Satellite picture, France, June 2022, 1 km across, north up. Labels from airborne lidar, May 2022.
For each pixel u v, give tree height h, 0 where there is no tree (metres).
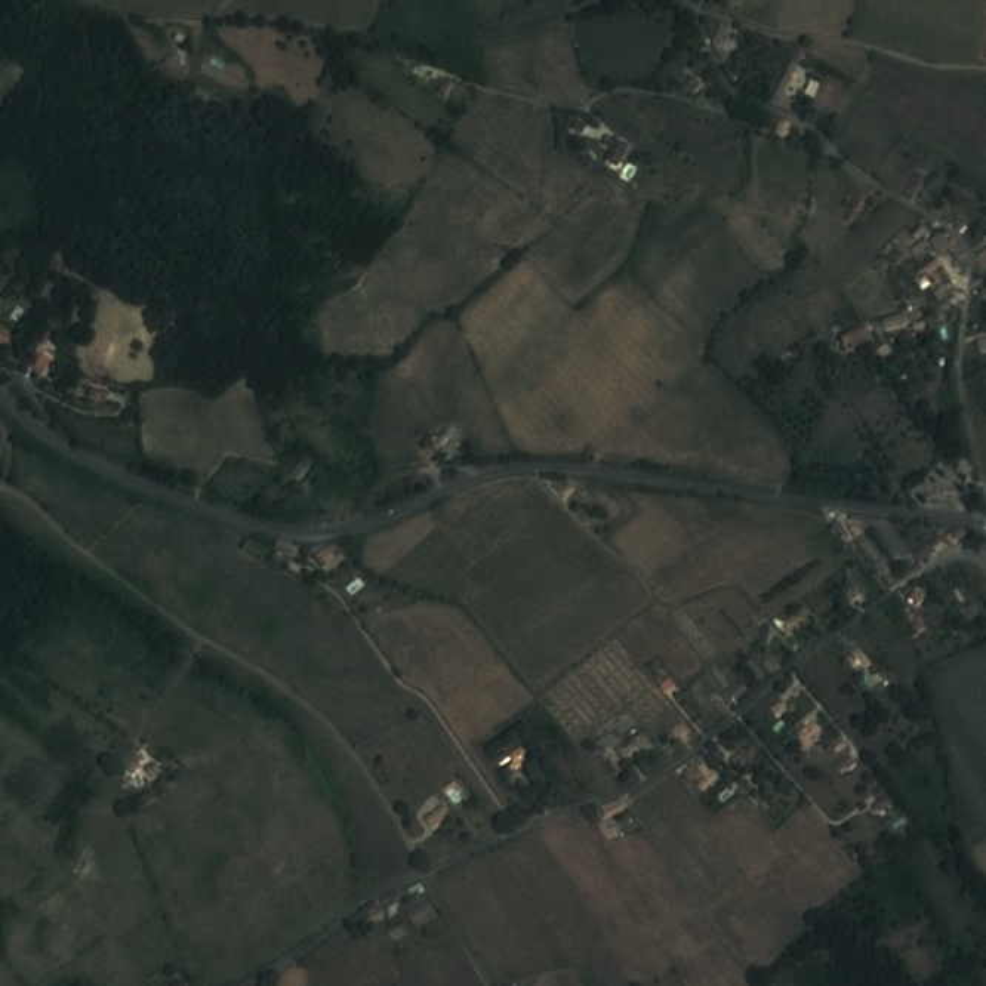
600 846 0
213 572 0
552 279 0
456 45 0
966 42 0
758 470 0
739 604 0
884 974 13
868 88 0
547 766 6
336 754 0
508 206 0
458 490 0
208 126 28
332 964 0
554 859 0
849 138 0
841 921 10
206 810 0
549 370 0
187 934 0
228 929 0
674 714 0
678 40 13
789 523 0
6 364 13
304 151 17
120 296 16
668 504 0
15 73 0
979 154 0
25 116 16
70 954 0
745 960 0
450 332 0
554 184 0
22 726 0
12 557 21
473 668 0
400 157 0
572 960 0
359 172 10
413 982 0
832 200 0
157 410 0
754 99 13
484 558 0
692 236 0
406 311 0
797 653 7
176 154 19
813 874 0
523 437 0
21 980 0
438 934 0
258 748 0
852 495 10
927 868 0
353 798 0
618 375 0
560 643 0
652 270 0
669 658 0
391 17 0
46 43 19
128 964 0
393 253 0
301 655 0
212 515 0
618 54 0
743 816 0
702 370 0
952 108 0
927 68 0
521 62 0
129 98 16
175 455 0
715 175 0
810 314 0
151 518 0
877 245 0
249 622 0
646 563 0
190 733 0
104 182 19
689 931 0
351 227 16
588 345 0
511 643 0
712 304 0
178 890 0
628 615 0
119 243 20
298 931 0
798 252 8
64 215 18
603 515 13
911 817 6
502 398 0
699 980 0
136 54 24
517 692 0
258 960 0
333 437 0
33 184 6
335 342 0
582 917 0
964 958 10
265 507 13
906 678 0
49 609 8
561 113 7
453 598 0
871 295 0
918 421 18
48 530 0
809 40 13
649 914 0
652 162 15
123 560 0
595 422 0
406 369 0
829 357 11
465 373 0
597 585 0
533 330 0
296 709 0
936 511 0
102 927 0
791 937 0
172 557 0
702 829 0
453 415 0
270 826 0
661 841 0
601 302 0
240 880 0
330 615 0
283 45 9
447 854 0
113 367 0
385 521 0
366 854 0
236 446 0
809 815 0
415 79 7
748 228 0
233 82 0
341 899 0
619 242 0
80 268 20
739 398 0
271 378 20
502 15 6
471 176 0
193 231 16
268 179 14
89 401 8
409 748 0
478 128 0
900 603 9
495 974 0
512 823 17
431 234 0
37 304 16
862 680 7
